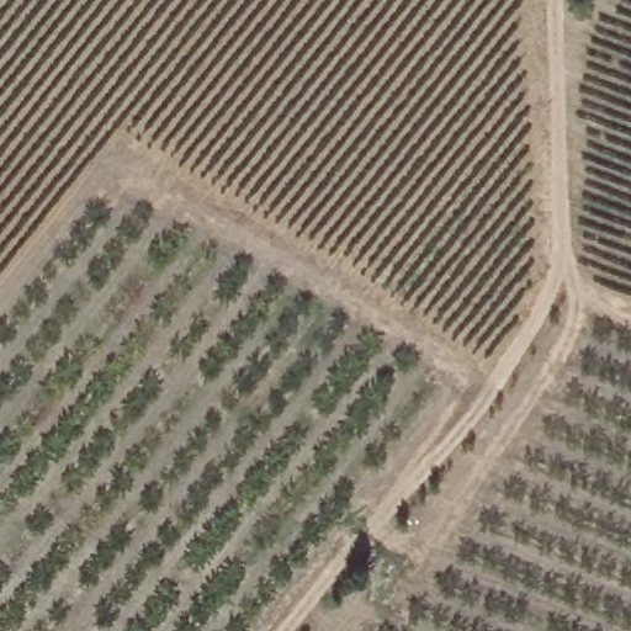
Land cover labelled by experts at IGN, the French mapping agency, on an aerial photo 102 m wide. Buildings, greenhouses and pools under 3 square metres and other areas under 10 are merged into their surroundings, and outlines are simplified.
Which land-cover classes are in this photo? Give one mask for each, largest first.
<instances>
[{"label":"deciduous trees","instance_id":"1","mask_svg":"<svg viewBox=\"0 0 631 631\"><path fill-rule=\"evenodd\" d=\"M592 5H594V0H567V10H569V12H574L577 17H579V20H584L587 15H589V10H592ZM108 219V207L104 200H91L86 205L84 214L71 224L69 239L54 246L52 256L42 266V274L30 286H25L22 298L12 306L10 313L0 316V343H10L15 338V328L30 318L32 303H44V286L57 276V269L64 261H74L79 251L89 246L96 229ZM81 370L94 375L86 389L76 397V402L69 404L59 414V421L42 434V444L27 454V461L20 468H15L10 486L0 493V523L15 510L22 520H27V527L32 532H44L57 518L67 525L64 532L52 542L47 557L32 564V572L25 582H20L12 599L0 604V631H12L17 624H22L25 611L37 604V594L49 589L57 572L67 567L69 557L76 550H81L84 542L94 545L96 552L81 564L79 579L81 584H96L99 574L108 569L116 555L131 542V535L126 530L131 515H138L143 508L155 510L163 495H168L175 488L177 478L190 471L192 461L205 468L202 478L190 486L187 498L180 503V513L170 515L158 527V537L143 547L138 562L126 569V577L99 599L96 624L111 626L116 621L121 604L131 599V594L143 582L145 572L163 562L165 552L177 542V537L192 525L197 513L207 505V498L214 488H219L229 500L217 508L214 518L205 523L202 535H197L182 555L190 569H200L237 530L242 520L239 505H254L256 498L266 493L271 478L288 466V458L301 449V444L313 449L316 461L303 463L301 473L281 488V495L269 505V513L254 523L251 535L239 545L234 557L224 560V564L207 577L202 589L192 594V606L177 619L173 631H202L205 621L212 614H217L227 596L237 592L239 582L244 579L246 564H254L259 557L271 564V574L266 579L259 577V592L254 596H246L242 601V611L229 616V624L219 631H249L259 611L274 599V594L281 587L291 582V572L296 567H306L308 545H318L330 527H345L355 537L367 532V520L362 515H355V510L350 508L352 486L367 468H380L385 463L387 446L409 429L412 419L419 414L424 402L434 394V365L419 357L417 348L407 343L397 345L385 333L375 330L372 325H365L360 318L348 316L343 308L323 303L311 291H298L286 276L274 271L269 261L251 259V254H244L237 244L217 242L207 229H197L187 222H173L163 210H155L148 200H138L136 207L121 219L116 237L106 242L104 254L89 261V274L74 281L71 291L57 301L54 313L42 320L39 333H35L27 340V348L10 360V367L5 372H0V458L10 461L17 454L22 439H27L32 429L47 417L52 402L62 397L64 389L81 377ZM594 338L606 340V335L611 333L619 338V348L631 352V328L611 320L609 316H596L592 323ZM584 375L631 389V365L596 355L589 348L582 350V352ZM567 407L584 409L589 417L596 414V407H604L606 419L614 426L631 431V407L621 397L609 399L589 389H582V385L574 380L567 385L564 392ZM545 434L550 439L564 441L572 449H582L614 463L629 458L631 468V449H626L624 436H606L596 426L592 431H582L579 424H569L564 417L550 414L542 421ZM527 466L547 463L550 476L567 481L574 488L599 493L601 498L614 500L621 508H631V471L621 476L616 486L609 481V473L604 471H596V481H589L587 463L564 461L562 456H545L540 446H525ZM444 473L439 466L431 468L429 481L421 483L417 493L404 500L397 508L394 518L397 530H407L409 515L426 503L429 495L439 493ZM525 493V481L520 476H510L505 481V498L520 500ZM560 520L569 523L577 530L599 532L611 542L631 547V525L626 520H614L611 513L604 515L592 503L572 508L567 498L557 500ZM503 523V515L495 508H486L481 510V530L495 535ZM513 535L518 542L532 540L537 542V550L545 555L552 547H560L562 560L567 564H579L589 572L611 577V555L589 547L584 540H564L562 535H550L545 530L525 527L523 523H513ZM370 574L357 572L350 579H343L340 574L328 594L340 606L348 594L357 592L362 601L372 606L377 619L382 621L377 631H417V624L424 619V614H434L436 626L446 621L449 609L426 604V599L421 596H409V621L404 626H394L397 614L389 604H385V599L394 592V584L404 579L407 569H412L414 564L407 555L387 550L382 542L370 537ZM458 557L466 562L483 560V564L503 579L523 582L525 587L520 596L481 587L476 579L466 582L456 569L449 567L444 572H436V584L444 596L461 599L466 604H476V599H483L486 611L503 614L508 621H523L527 611V596L532 592H542L552 599L572 604L574 609L594 611L596 604H604L606 619L611 624H624L626 629H631V604L616 594H609L604 587L582 584L574 574L540 569L527 560L505 555L500 547L478 545L473 540H461ZM180 594L175 579H160L153 596H148L143 611L128 619L126 631H153L165 619L168 609L177 601ZM451 631H500L483 624L478 616L466 619L461 614H454ZM547 631H601L582 626L579 621H569L560 614H547Z\"/></svg>","mask_w":631,"mask_h":631},{"label":"vineyard","instance_id":"2","mask_svg":"<svg viewBox=\"0 0 631 631\"><path fill-rule=\"evenodd\" d=\"M523 0H0V274L10 266V261L32 239V234L59 205V200L76 182V177L94 163V158L104 150L111 136L121 128L128 131L136 140L145 143L148 148H155V143H160V150L180 155V165L190 168V173L195 170L205 177L210 175V170H217V175H212V182H224L222 192L234 190L239 197H244L249 207L264 210V217L283 222V217L293 212L288 224L298 227L296 237H323L318 249L330 254H345L348 259H352V266L360 269L362 276L380 279L385 283L382 288H387L392 296H402V311L409 313V320H414L417 316L436 313L434 323L444 325V330L451 333V338L461 340L463 345L476 343L478 352H483L486 357L495 355L503 340L520 323L515 308L527 291H532L530 269L535 264L530 251L535 246L530 232L535 227V219L530 214L532 180L520 182L525 175L532 173V160L518 168V163L530 153V106L525 101L527 91L523 84L527 74L520 67V39L515 35L520 27L518 10ZM577 118L596 121L601 126L587 128V145L582 153L587 180L582 190V210L572 222V249L579 266L592 269L594 283L631 296V0H619L611 15H599V25L594 27L592 42L587 47L584 76L579 81Z\"/></svg>","mask_w":631,"mask_h":631},{"label":"plowed land","instance_id":"3","mask_svg":"<svg viewBox=\"0 0 631 631\"><path fill-rule=\"evenodd\" d=\"M520 27L515 35L520 39V67L527 74L523 84L527 91L525 101L530 106V153L518 163V168L532 160V173L525 175L520 182L532 180L530 214L535 219V227L530 232L535 246L530 251L535 264L530 269L532 291H527L515 308L520 323L530 318V311L535 306V286H540L547 279V254L552 249V224L547 222V212L542 210V205L550 200V187L542 182V173L552 165L547 0H523L518 10ZM619 0H594V5H592V10H589V15H587L584 20H579V17H577L574 12H569L564 17V64L567 195L572 222L582 210V190L587 180L582 153L587 145V128L601 126L596 121L577 118L579 81L584 76L587 47L592 42L594 27L599 25V15H611ZM160 143H155V148H148L145 143L136 140L128 131L121 128L111 136L104 150L94 158V163L76 177V182L59 200V205L32 234V239L10 261V266L0 274V316L10 313L12 306L22 298L25 286H30L42 274V266L52 256L54 246L69 239L71 224L84 214L86 205L91 200H104L108 207V219L96 229L89 246L79 251L74 261H64L57 269V276L44 286V303H32L30 318L15 328V338L10 343H0V372H5L10 367V360L27 348V340L35 333H39L42 320L54 313L57 301L71 291L74 281L89 274V261L104 254L106 242L116 237L121 219L136 207L138 200H148L155 210H163L173 222H187L197 229H207L217 242L237 244L244 254H251V259L269 261L274 271L286 276L298 291H311L323 303L343 308L348 316L360 318L365 325H372L375 330L385 333L397 345L407 343L417 348L419 357L434 365V394L424 402L419 414L412 419L409 429L387 446L385 463L380 468H367L352 486L350 508L355 510V515H362L367 520V532L355 537L345 527H330L318 545H308L306 567H296L291 572V582L281 587L274 594V599L259 611L249 631H276L279 624L303 599V594L311 589V584L320 577V572L335 555L345 560V569L340 574L343 579H350L357 572L370 574V537L382 542L387 550L407 555L414 564L412 569H407L404 579L394 584V592L385 599V604H389L397 614L394 626H404L409 621V596H421L426 599V604L449 609L446 621L436 626L434 614H424V619L417 624V631H451L454 614H461L466 619L478 616L483 624L500 631H547V614H560L569 621H579L582 626L601 631H631V629H626L624 624H611L606 619L604 604H596L594 611L574 609L572 604L552 599L542 592H532L527 596V611L523 621H508L503 614L486 611L483 599H476V604H466L461 599L444 596L436 584V572H444L449 567L456 569L466 582L476 579L481 587L520 596L525 587L523 582L503 579L483 564V560L466 562L458 557L461 540H473L478 545L500 547L505 555L527 560L540 569L574 574L582 584L604 587L609 594H616L631 604V547L611 542L599 532L577 530L569 523L560 520L557 500L567 498L572 508L592 503L604 515L611 513L614 520H626L631 525V508H621L614 500L601 498L599 493L574 488L567 481L550 476L547 463L527 466L525 446H540L545 456H562L564 461L587 463L589 481H596V471H604L609 473V481L616 486L621 476L631 471V468L629 458L614 463L582 449H572L564 441L550 439L545 434L542 421L550 414L564 417L569 424H579L582 431H592L596 426L606 436H624L626 449H631V431L614 426L606 419L604 407H596V414L589 417L584 409L567 407L564 392L567 385L574 380L582 385V389H589L609 399L621 397L631 407V389L584 375L582 352H572L567 362H555L550 357V350L557 343L562 325L545 320L537 335L532 338L530 348L515 365L510 380L495 394L488 412L468 431L461 446L454 449L449 458L439 466L444 473L439 493L429 495L426 503L409 515L407 530H397L394 518L397 508L404 500L392 491V486L399 481L419 444L434 429L441 407L461 402L463 389L468 385L486 387L488 377L498 365L495 355L486 357L483 352H478L476 343L463 345L461 340L451 338V333L444 330V325L434 323L436 313L417 316L414 320H409V313L402 311V296H392L387 288H382L385 283L380 279L362 276L360 269L352 266V259H348L345 254H330L318 249L323 237H296L298 227L288 224L293 212L283 217V222L264 217V210L249 207L244 197H239L234 190L222 192L224 182H212V175H217V170H210V175L205 177L195 170L190 173V168L180 165V155L160 150ZM510 476H520L525 481V493L520 500L505 498V481ZM486 508H495L503 515V523L495 535L481 530V510ZM513 523H523L525 527L545 530L550 535H562L564 540H584L589 547L611 555V577L589 572L579 564H567L562 560L560 547H552L545 555L537 550V542L532 540L518 542L513 535ZM577 348L582 350L589 348L596 355L631 365V352L619 348V338L611 333L606 335V340L594 338L592 323H587L577 338ZM94 375L81 370V377L64 389L62 397L52 402L47 417L32 429L27 439H22L17 454L10 461L0 458V493L10 486L15 468H20L27 461V454L42 444V434L59 421V414L69 404L76 402V397L86 389ZM316 461L313 449L301 444V449L288 458V466L271 478L266 493L256 498L254 505H239L242 520L237 530L200 569H190L182 555L197 535H202L205 523L214 518L217 508L229 500L219 488H214L207 498V505L197 513L192 525L177 537V542L165 552L163 562L145 572L143 582L131 594V599L121 604L116 621L111 626L96 624L99 599L126 577V569L138 562L143 547L158 537V527L170 515L180 513V503L187 498L190 486L202 478L205 468L192 461L190 471L177 478L175 488L168 495H163L155 510L143 508L138 515H131L126 530L131 535V542L116 555L108 569L99 574L96 584H81L79 579L81 564L96 552L94 545L84 542L81 550H76L69 557L67 567L57 572L49 589L37 594V604L25 611L22 624H17L12 631H126L128 619L143 611L148 596H153L160 579H175L180 594L177 601L168 609L165 619L153 631H173L177 619L192 606V594L202 589L207 577L224 564V560L234 557L239 545L251 535L254 523L269 513V505L281 495V488L301 473L303 463ZM67 525L57 518L44 532H32L27 527V520H22L15 510L0 523V604L12 599L20 582H25L32 572V564L47 557L52 542L64 532ZM271 574V564L259 557L254 564H246L244 579L239 582L237 592L227 596L217 614H212L205 621L202 631H219L229 624V616L242 611V601L246 596H254L259 592V577L266 579Z\"/></svg>","mask_w":631,"mask_h":631},{"label":"pervious surface","instance_id":"4","mask_svg":"<svg viewBox=\"0 0 631 631\"><path fill-rule=\"evenodd\" d=\"M569 12V10H567V0H547L552 165L542 173V182L550 187V200L542 205V210L547 212V222L552 224V249L547 254V279L540 286H535V306L530 311V318L520 323L503 340L495 355L498 365L488 377L486 387L468 385L463 389L461 402L441 407L434 429L419 444L399 481L392 486V491L404 500L417 493L421 483L429 481L431 468L439 466L449 458L454 449L461 446L468 431L488 412L495 394L510 380L515 365L530 348L532 338L537 335L545 320L562 325L557 343L550 350V357L555 362H567L572 352H582V350L577 348V338L587 323H592L596 316H609L611 320L631 328V296L594 283L592 269L579 266L572 249V222L567 195L564 64V17ZM345 569V560L335 555L320 572V577L311 584V589L303 594V599L279 624L276 631H377L382 621L377 619L372 606L362 601L357 592L348 594L340 606L328 594L340 574Z\"/></svg>","mask_w":631,"mask_h":631}]
</instances>
